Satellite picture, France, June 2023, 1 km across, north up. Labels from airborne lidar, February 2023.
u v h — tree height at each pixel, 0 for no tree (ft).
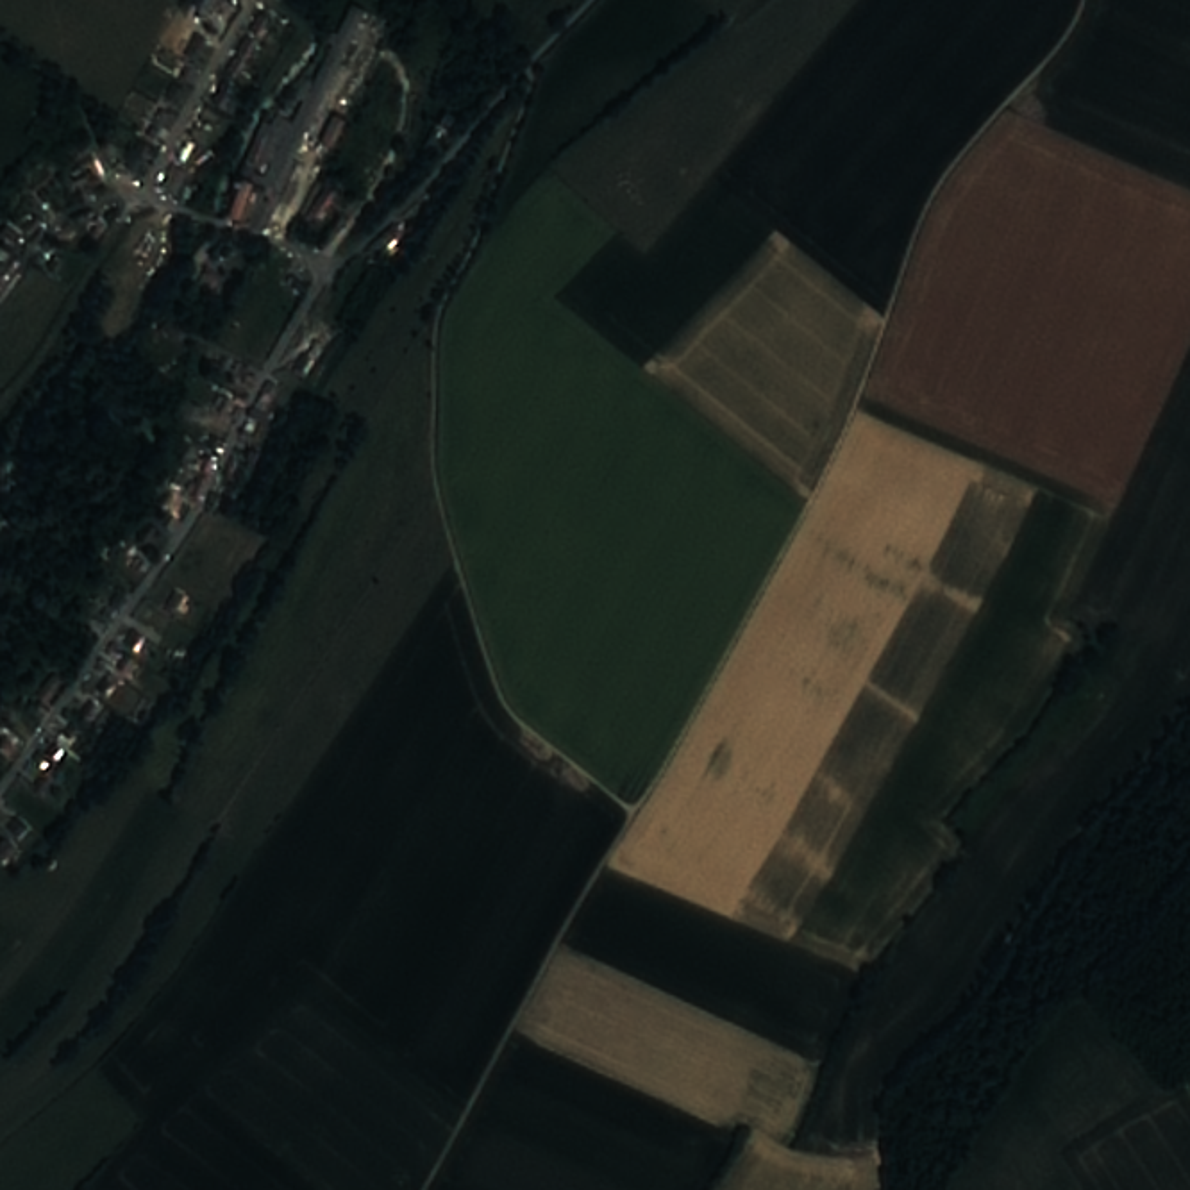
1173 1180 0
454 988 0
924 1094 50
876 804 0
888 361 0
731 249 0
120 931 0
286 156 0
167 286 80
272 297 0
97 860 0
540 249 0
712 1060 0
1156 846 56
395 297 0
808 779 0
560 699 0
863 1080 0
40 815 0
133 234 0
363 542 0
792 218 0
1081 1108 0
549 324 0
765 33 0
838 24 0
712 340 0
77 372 28
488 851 0
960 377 0
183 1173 0
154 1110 0
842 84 0
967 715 0
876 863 0
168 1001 0
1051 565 0
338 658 0
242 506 23
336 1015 0
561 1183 0
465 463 0
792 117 0
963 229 0
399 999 0
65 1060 34
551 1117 0
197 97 0
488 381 0
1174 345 0
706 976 0
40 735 0
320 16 35
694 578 0
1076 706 0
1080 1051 0
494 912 0
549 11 0
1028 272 0
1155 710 0
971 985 0
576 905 0
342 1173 0
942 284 0
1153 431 0
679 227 0
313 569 0
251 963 0
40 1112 0
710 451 0
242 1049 0
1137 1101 0
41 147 23
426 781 0
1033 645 0
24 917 0
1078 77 0
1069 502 0
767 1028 0
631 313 0
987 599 0
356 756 0
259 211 0
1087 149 0
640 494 0
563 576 0
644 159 0
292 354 0
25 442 24
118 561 0
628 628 0
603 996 0
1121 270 0
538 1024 0
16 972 0
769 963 0
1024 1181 0
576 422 0
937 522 0
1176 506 0
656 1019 0
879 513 0
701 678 0
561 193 0
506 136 0
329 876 0
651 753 0
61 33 0
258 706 0
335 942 0
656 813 0
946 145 0
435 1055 0
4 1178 0
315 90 0
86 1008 0
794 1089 0
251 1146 0
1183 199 0
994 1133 0
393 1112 0
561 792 0
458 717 0
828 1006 0
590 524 0
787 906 0
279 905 0
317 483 0
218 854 0
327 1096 0
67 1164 0
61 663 24
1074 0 0
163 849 0
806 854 0
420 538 0
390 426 0
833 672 0
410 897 0
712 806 0
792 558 0
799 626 0
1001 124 0
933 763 0
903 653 0
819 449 0
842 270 0
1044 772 0
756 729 0
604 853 0
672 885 0
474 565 0
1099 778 0
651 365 0
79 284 0
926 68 0
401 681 0
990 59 0
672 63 24
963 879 0
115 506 67
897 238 0
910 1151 38
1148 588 0
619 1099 0
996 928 0
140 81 0
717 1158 0
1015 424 0
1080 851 41
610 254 0
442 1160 0
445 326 0
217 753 0
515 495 0
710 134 0
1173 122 0
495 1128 0
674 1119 0
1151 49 0
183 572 0
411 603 0
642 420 0
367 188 0
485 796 0
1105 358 0
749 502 0
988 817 0
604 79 0
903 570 0
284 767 0
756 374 0
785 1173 0
